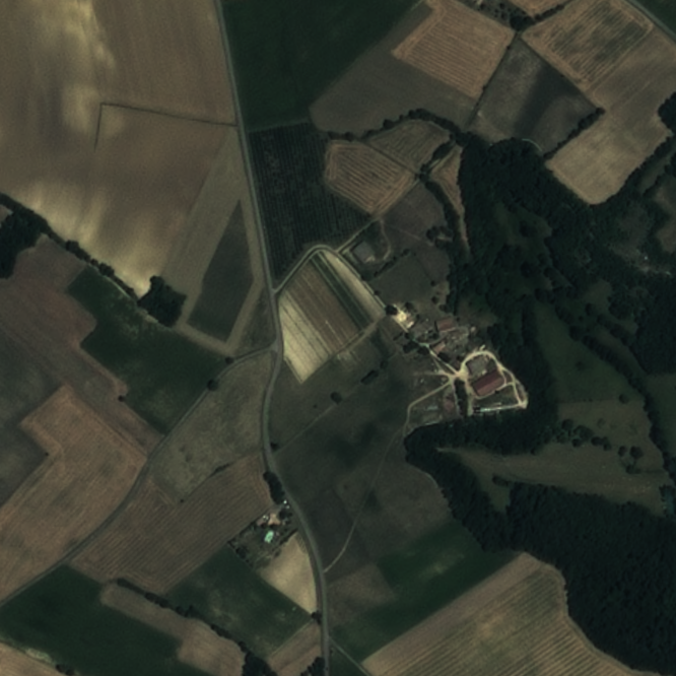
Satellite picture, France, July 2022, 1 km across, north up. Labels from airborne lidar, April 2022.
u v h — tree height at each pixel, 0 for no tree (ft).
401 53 0
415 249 0
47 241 0
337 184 0
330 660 0
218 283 0
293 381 0
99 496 0
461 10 0
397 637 0
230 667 0
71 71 0
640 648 74
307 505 0
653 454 0
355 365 0
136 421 0
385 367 28
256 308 0
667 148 46
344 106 0
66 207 0
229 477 0
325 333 0
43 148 0
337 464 0
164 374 0
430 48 0
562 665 0
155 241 0
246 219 0
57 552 0
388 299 0
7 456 0
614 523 53
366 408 0
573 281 58
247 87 0
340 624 0
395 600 0
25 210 31
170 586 0
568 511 59
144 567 0
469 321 0
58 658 0
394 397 0
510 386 0
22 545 0
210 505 0
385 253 0
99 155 0
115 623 0
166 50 0
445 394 0
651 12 0
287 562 0
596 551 52
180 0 0
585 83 0
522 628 0
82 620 0
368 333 0
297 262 0
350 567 0
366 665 0
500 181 94
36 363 0
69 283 0
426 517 0
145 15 0
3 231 38
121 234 0
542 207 69
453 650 0
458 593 0
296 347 0
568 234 50
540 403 38
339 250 0
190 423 0
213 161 0
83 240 0
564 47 0
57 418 0
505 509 0
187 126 0
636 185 27
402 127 0
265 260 0
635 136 0
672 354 59
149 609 0
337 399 35
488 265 51
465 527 24
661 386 0
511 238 0
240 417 0
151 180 0
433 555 0
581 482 0
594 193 0
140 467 0
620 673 0
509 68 0
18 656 0
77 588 0
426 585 0
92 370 0
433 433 36
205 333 0
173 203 0
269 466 0
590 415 0
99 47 0
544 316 0
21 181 0
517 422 32
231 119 0
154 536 0
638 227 0
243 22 0
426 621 0
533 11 0
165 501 0
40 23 0
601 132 0
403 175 0
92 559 0
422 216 0
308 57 0
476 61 0
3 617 0
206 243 0
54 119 0
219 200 0
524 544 61
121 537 0
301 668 0
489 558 0
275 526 39
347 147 0
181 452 0
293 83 0
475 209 57
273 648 0
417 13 0
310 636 0
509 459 0
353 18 0
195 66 0
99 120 0
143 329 0
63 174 0
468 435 45
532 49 0
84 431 0
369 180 0
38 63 0
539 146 0
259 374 0
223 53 0
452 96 0
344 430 0
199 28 0
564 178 0
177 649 0
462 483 61
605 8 0
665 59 0
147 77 0
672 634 60
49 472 0
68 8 0
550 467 0
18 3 0
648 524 69
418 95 0
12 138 0
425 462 47
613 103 0
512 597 0
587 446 0
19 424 0
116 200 0
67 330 0
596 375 0
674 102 46
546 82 0
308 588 0
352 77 0
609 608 71
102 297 0
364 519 0
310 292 0
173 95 0
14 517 0
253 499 0
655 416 52
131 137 0
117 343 0
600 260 38
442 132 0
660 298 49
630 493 0
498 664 0
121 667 0
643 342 72
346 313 0
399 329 0
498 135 0
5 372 0
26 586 0
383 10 0
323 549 0
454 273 25
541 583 0
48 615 0
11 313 0
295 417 0
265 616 0
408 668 0
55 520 0
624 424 0
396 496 0
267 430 0
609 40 0
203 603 0
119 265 0
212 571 0
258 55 0
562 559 62
